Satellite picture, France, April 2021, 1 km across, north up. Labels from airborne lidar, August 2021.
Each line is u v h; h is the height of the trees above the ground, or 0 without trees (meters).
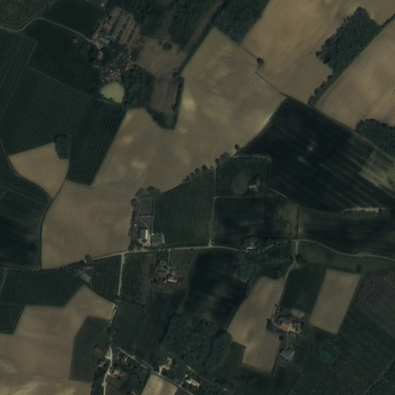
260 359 0
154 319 0
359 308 6
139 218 0
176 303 0
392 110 0
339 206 0
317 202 0
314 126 0
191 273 0
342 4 0
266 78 0
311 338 0
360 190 0
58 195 0
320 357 16
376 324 6
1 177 6
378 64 0
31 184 6
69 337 0
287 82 0
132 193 0
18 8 6
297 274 0
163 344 15
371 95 0
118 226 0
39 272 8
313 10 0
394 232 0
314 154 0
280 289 0
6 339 0
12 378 0
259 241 8
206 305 0
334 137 0
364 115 0
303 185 0
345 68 12
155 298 0
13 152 0
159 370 7
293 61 0
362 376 6
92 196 0
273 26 0
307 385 5
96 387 12
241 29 20
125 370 9
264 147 0
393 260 0
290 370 0
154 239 0
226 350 18
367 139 11
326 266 0
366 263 0
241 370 0
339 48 19
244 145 0
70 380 0
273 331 0
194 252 0
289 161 0
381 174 0
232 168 7
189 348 20
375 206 0
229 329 0
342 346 6
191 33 0
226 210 0
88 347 0
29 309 0
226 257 0
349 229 0
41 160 0
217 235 0
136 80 18
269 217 0
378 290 6
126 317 0
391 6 0
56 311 0
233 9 26
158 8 0
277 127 0
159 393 0
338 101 0
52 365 0
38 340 0
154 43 0
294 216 0
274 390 0
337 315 0
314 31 0
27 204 5
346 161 0
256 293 0
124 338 0
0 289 14
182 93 9
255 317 0
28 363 0
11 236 0
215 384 7
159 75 0
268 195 0
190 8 16
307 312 0
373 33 17
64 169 0
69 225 0
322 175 0
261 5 19
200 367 16
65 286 6
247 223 0
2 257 0
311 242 0
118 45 7
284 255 11
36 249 0
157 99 0
